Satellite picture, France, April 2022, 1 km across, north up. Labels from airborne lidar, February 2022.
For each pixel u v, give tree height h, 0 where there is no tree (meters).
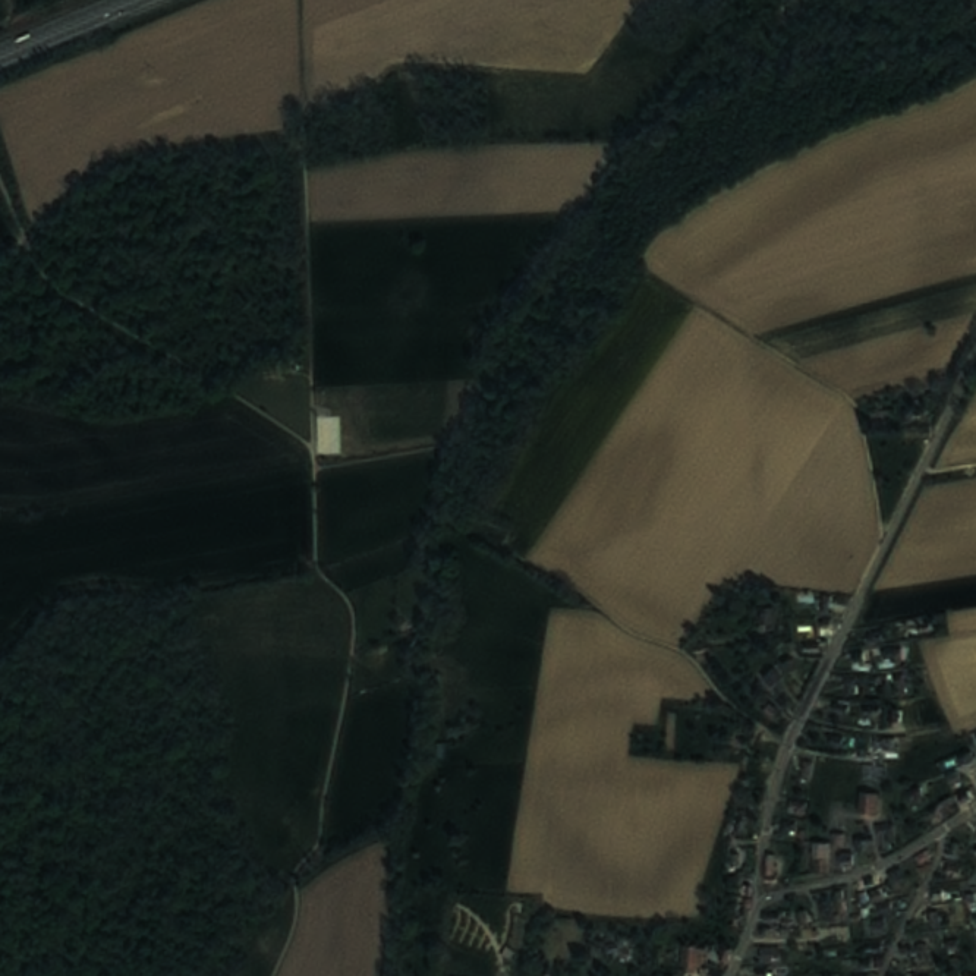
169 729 25
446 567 18
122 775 18
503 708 0
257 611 0
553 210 0
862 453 0
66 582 0
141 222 14
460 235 0
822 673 0
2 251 18
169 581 0
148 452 0
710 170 17
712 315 0
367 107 27
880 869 0
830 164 0
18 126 0
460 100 30
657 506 0
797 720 0
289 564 0
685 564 0
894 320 0
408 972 17
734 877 9
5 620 0
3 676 21
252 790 0
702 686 0
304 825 0
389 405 0
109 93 0
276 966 0
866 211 0
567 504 0
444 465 20
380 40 0
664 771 0
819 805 0
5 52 0
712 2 28
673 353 0
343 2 0
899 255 0
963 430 0
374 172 0
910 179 0
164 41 0
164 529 0
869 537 0
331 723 0
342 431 0
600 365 0
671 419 0
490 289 0
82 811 26
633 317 0
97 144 0
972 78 8
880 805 0
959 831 0
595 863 0
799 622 0
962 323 0
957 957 8
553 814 0
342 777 0
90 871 12
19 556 0
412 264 0
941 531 0
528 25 0
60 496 0
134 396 18
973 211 0
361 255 0
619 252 19
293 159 17
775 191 0
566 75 0
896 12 24
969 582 0
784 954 11
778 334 0
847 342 0
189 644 23
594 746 0
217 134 0
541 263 26
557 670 0
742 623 14
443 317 0
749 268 0
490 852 0
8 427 0
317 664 0
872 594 0
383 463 0
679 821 0
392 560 0
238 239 20
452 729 11
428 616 20
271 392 0
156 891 10
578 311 39
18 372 26
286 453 0
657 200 18
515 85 0
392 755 0
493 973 0
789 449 0
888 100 19
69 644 22
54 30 0
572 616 0
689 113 29
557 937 0
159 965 23
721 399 0
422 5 0
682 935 9
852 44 32
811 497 0
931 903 0
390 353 0
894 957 0
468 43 0
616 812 0
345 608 0
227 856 22
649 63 0
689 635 15
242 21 0
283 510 0
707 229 0
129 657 22
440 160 0
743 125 22
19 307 31
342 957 0
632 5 0
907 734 0
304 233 17
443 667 0
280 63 0
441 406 0
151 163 25
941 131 0
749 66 30
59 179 0
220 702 17
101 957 18
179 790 14
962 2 25
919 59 34
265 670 0
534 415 25
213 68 0
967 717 0
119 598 16
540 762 0
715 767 0
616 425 0
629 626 0
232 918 22
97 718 11
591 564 0
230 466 0
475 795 0
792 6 19
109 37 6
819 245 0
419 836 0
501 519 12
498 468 24
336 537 0
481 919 0
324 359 0
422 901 0
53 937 24
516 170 0
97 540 0
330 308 0
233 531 0
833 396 0
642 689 0
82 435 0
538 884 0
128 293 27
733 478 0
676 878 0
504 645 0
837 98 20
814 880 0
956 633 0
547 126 0
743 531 0
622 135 17
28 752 18
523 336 17
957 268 0
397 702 0
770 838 0
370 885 0
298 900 0
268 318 7
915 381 11
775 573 0
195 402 20
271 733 0
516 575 0
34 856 22
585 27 0
